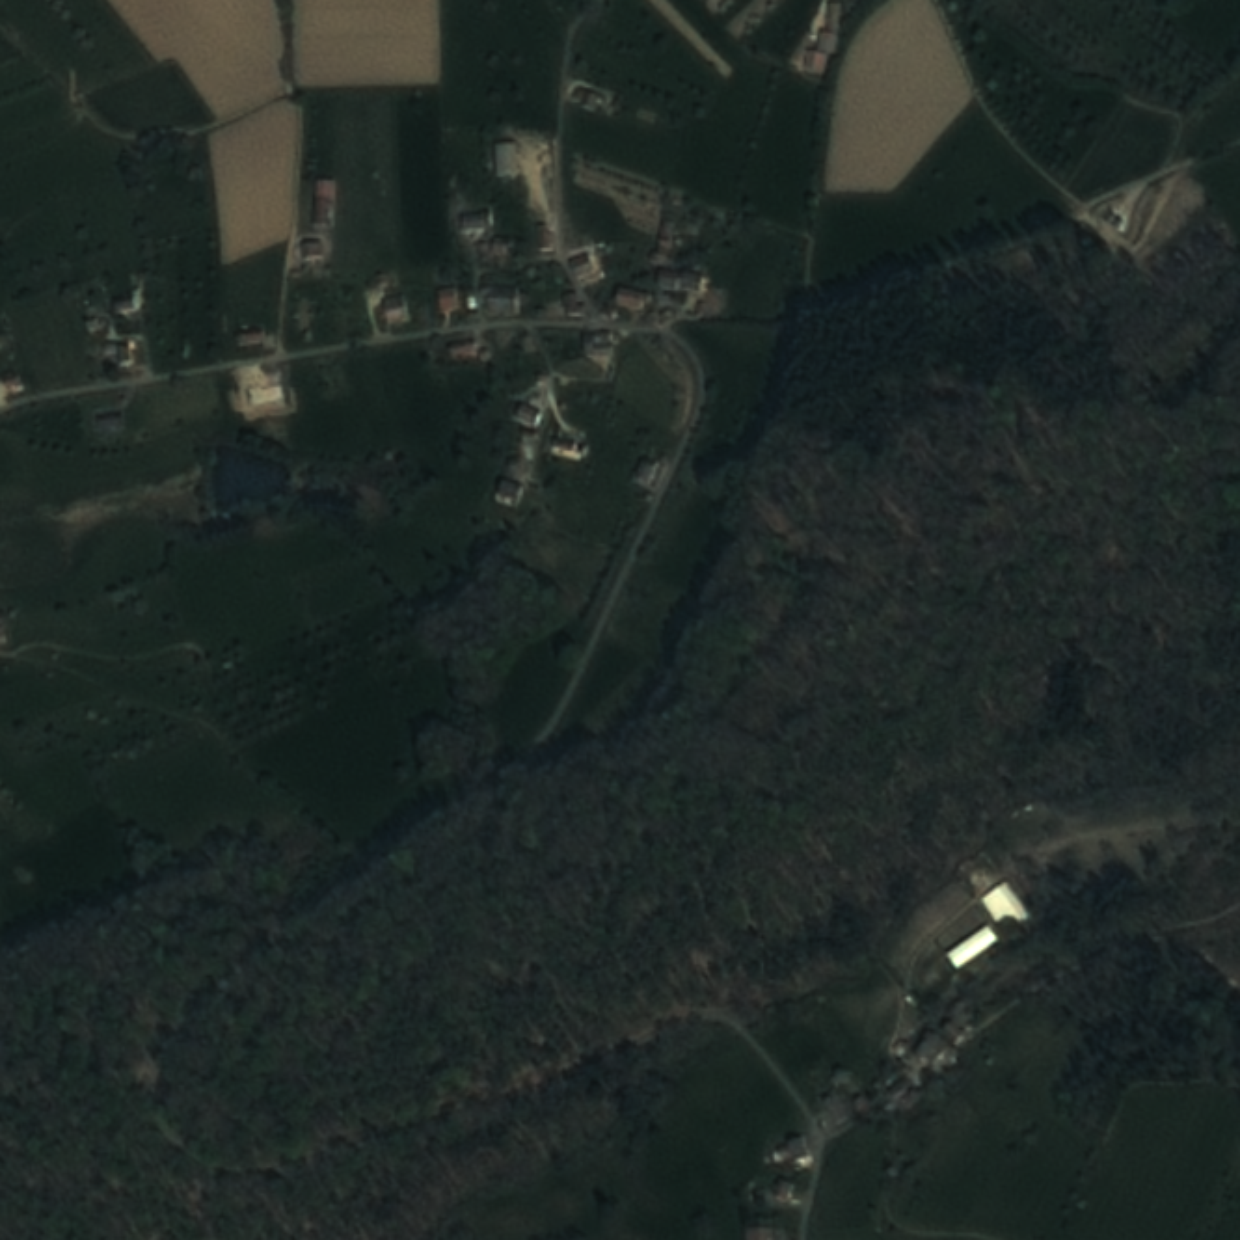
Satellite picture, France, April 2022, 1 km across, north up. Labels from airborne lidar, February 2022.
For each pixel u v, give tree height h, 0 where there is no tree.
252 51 0
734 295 0
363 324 0
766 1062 0
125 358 0
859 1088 0
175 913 31
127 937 29
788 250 0
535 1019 27
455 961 28
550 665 0
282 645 0
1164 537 30
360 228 0
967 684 24
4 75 0
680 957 25
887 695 26
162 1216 27
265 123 0
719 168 0
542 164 0
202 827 0
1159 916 29
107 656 0
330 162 0
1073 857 0
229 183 0
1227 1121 0
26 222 0
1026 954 12
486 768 18
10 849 0
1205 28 0
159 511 0
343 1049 27
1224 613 24
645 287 7
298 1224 29
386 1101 23
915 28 0
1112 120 0
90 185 0
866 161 0
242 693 7
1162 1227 0
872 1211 8
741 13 0
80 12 0
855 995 0
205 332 0
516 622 33
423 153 0
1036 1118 0
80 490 0
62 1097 30
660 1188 0
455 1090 28
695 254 10
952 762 18
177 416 0
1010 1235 0
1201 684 23
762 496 31
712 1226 14
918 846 12
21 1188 29
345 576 0
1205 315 32
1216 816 22
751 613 32
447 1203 30
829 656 32
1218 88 15
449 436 0
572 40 0
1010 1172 0
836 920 20
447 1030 25
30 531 0
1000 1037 0
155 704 0
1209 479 26
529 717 0
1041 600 24
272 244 0
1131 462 28
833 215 0
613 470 0
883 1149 0
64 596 0
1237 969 0
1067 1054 0
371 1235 26
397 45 0
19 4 0
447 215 0
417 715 0
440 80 0
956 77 0
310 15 0
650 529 0
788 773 24
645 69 0
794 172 0
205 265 0
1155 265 0
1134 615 25
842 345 35
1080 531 27
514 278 6
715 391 7
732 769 30
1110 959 11
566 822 32
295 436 0
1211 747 20
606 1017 26
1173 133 0
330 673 9
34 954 31
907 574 27
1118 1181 0
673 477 0
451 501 0
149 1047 27
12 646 0
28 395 0
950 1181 0
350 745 0
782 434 31
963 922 0
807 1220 0
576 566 0
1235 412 29
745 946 30
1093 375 19
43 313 0
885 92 0
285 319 0
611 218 0
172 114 0
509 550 21
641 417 0
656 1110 25
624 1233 0
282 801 10
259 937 0
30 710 0
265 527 0
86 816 0
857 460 32
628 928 25
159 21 0
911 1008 0
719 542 0
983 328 20
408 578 0
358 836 0
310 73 0
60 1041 31
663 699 26
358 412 0
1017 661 23
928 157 0
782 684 34
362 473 0
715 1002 24
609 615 0
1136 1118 0
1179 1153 0
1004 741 21
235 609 0
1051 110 0
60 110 0
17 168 0
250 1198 30
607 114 0
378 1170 30
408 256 0
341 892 0
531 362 0
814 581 29
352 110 0
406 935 27
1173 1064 26
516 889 28
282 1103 23
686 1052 26
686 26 0
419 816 0
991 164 0
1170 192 0
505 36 0
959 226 0
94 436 0
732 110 0
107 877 0
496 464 10
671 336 0
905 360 37
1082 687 28
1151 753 23
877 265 0
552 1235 0
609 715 0
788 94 0
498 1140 26
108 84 0
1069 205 0
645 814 11
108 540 0
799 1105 0
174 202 0
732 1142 0
